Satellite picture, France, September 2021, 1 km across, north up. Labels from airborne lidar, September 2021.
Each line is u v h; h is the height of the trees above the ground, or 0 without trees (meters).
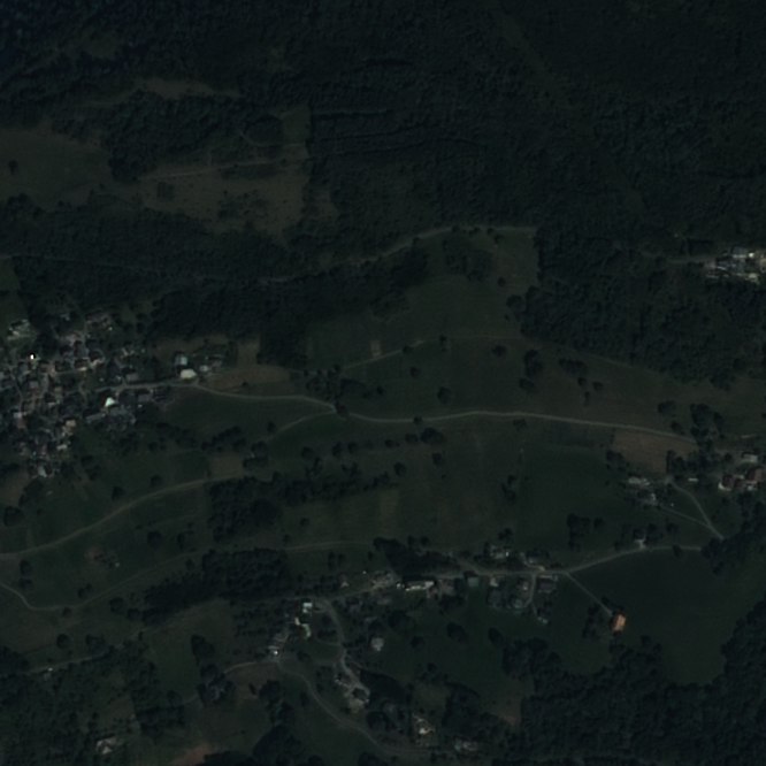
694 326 13
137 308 16
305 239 14
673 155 21
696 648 0
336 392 13
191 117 19
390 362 0
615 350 6
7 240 16
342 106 23
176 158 14
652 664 19
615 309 16
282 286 12
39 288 15
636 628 0
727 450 0
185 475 0
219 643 0
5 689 21
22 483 0
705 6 25
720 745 29
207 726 0
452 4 20
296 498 15
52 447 10
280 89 21
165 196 8
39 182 0
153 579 0
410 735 6
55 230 8
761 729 24
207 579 7
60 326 15
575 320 16
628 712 27
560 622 0
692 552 0
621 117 18
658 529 9
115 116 11
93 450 0
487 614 0
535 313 13
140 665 17
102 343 8
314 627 0
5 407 9
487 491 0
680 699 26
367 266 9
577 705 20
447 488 0
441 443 18
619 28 26
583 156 19
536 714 22
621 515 0
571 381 0
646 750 31
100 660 11
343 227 8
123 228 9
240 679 0
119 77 20
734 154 7
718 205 16
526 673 13
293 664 0
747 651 28
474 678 0
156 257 17
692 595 0
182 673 0
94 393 6
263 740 0
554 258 27
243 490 18
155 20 24
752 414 0
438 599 10
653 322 16
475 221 13
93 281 23
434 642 0
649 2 19
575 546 10
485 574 0
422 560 6
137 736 0
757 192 13
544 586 0
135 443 6
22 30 22
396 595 0
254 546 0
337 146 16
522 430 15
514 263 0
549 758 28
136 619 14
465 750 7
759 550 29
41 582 0
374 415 0
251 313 15
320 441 0
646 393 0
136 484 0
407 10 22
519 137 12
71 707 8
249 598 23
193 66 16
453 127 16
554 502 0
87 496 0
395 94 14
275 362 7
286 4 20
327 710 0
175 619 13
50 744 8
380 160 20
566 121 7
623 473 7
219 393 0
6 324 0
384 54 23
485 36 19
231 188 0
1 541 0
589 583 0
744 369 13
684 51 17
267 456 11
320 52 14
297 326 13
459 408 0
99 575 0
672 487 8
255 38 13
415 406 0
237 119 19
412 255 10
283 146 8
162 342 9
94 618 0
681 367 22
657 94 25
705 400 0
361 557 0
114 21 23
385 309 15
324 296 19
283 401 0
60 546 0
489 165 17
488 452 0
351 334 0
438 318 0
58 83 17
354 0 26
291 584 25
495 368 0
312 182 8
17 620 0
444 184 19
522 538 0
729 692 27
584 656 0
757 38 26
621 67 22
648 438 0
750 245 7
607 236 15
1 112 14
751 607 0
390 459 0
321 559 0
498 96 19
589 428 0
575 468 0
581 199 20
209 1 25
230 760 12
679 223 18
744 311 20
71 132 10
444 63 19
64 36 17
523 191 21
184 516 0
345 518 0
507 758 7
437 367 0
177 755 0
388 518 0
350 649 8
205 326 11
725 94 18
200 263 17
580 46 20
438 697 0
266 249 11
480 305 0
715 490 9
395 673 0
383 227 7
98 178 0
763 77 20
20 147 0
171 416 0
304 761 24
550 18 16
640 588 0
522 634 0
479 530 0
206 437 0
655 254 20
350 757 0
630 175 20
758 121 26
